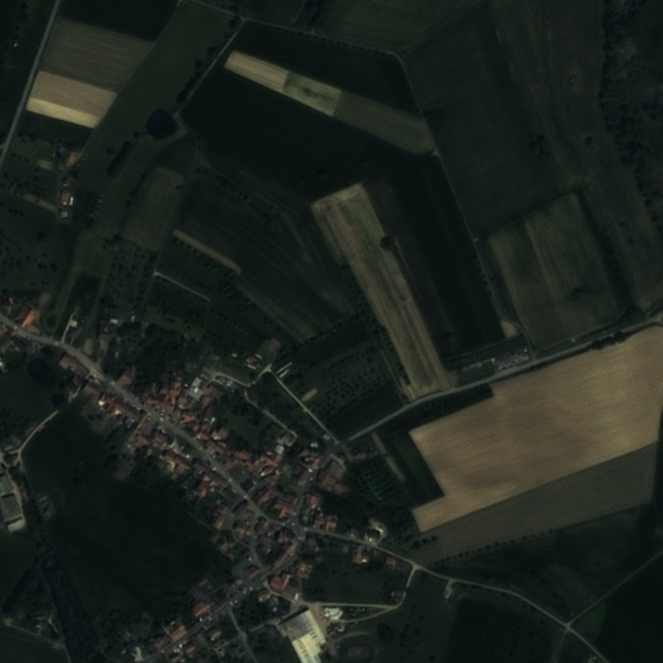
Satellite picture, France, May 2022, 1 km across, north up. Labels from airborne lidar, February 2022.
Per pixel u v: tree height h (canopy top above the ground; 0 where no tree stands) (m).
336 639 0
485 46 0
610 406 0
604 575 0
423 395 0
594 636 0
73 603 25
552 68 0
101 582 0
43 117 0
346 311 0
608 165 0
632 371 0
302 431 7
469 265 0
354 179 0
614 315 0
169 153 0
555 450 0
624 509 0
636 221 0
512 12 0
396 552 0
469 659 0
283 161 0
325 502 0
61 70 0
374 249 0
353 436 0
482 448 0
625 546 0
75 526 0
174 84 0
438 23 0
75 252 0
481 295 0
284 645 0
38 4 0
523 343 0
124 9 0
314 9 11
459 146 0
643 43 0
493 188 0
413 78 0
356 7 0
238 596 0
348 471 0
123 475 0
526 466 0
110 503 0
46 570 22
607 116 9
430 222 0
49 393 0
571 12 0
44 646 0
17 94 0
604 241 0
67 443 0
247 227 0
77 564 0
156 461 7
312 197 0
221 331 0
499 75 0
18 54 0
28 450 0
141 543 0
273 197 0
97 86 0
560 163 0
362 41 0
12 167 0
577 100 0
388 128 0
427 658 0
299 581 0
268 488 0
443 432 0
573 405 0
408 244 0
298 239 0
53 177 0
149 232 0
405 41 0
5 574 0
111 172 14
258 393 8
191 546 0
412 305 0
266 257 0
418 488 0
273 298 0
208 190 0
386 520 0
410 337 0
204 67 14
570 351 0
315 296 0
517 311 0
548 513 0
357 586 0
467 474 0
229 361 0
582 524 0
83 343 0
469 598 0
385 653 0
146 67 0
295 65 0
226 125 0
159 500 0
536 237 0
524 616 0
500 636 0
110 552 0
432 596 0
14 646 0
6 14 0
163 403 0
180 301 0
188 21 0
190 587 0
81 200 0
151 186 0
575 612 0
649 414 0
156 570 0
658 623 0
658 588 0
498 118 0
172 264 0
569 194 0
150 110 0
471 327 0
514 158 0
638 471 0
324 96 0
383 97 0
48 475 0
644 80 6
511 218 0
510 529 0
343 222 0
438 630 0
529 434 0
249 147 0
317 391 0
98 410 0
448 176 0
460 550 0
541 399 0
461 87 0
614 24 11
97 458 0
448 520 0
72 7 0
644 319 16
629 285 0
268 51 0
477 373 0
